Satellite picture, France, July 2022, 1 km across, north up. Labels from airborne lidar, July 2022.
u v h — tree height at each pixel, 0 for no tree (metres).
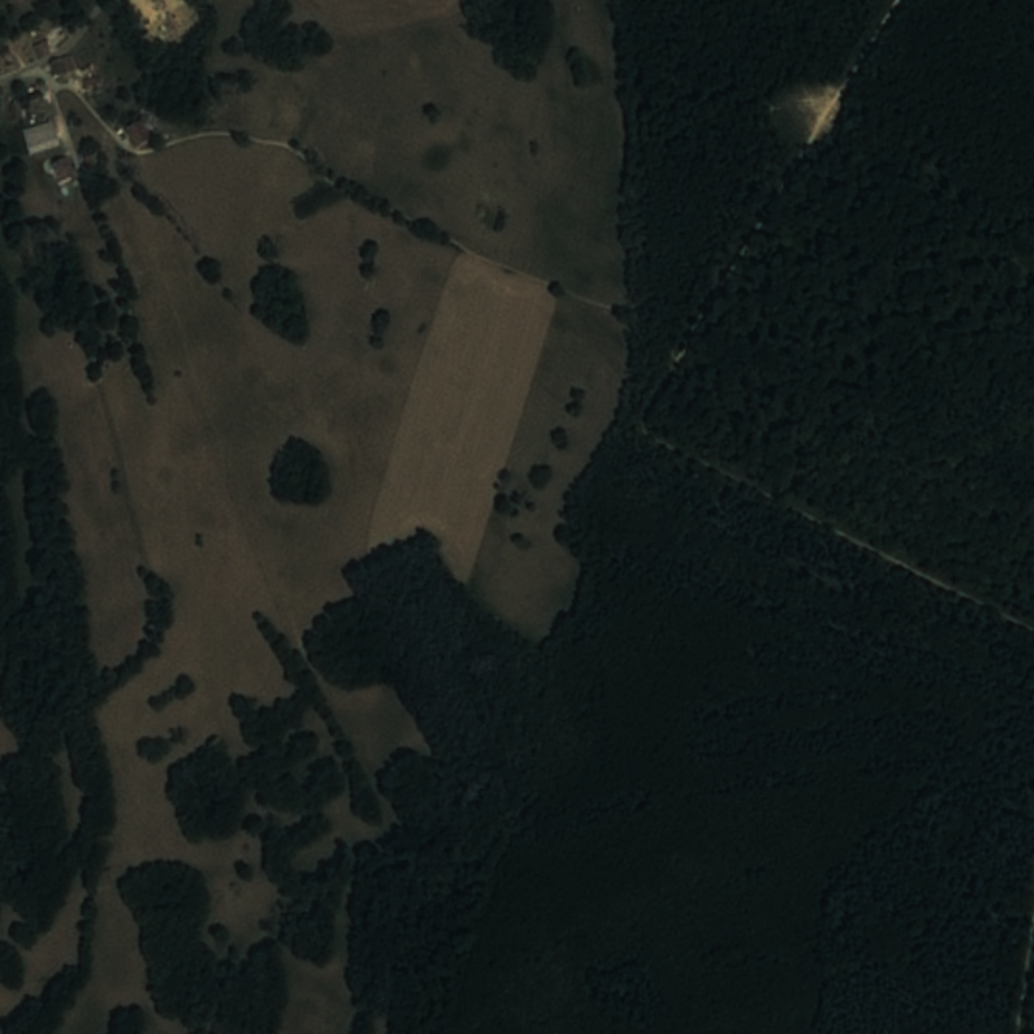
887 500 18
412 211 0
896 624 14
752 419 12
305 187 0
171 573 0
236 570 0
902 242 24
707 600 19
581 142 0
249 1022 19
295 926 15
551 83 0
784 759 17
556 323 0
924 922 12
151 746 18
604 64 0
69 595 16
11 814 23
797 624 19
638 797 19
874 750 18
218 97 20
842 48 13
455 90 0
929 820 35
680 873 11
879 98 20
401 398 0
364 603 17
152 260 0
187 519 0
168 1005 15
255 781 16
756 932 13
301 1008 0
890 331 26
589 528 20
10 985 15
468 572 0
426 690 25
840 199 25
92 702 17
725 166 20
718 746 21
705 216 13
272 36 20
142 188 16
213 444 0
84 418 0
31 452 21
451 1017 10
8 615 14
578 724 16
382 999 21
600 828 20
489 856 22
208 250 0
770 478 20
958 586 17
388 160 0
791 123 0
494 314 0
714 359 23
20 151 0
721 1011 11
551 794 17
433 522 0
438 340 0
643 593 20
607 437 11
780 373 27
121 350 15
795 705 23
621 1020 14
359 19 0
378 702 0
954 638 19
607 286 0
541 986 11
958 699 18
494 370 0
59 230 10
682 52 14
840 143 20
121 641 0
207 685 0
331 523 0
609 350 0
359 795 14
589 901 12
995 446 18
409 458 0
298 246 0
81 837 16
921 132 24
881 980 19
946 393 19
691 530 18
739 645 18
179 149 0
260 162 0
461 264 0
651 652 18
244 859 0
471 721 21
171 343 0
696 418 20
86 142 14
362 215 0
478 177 0
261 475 0
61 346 0
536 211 0
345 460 0
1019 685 12
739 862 14
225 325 0
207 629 0
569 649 15
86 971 15
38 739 17
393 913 22
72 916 0
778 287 25
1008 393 17
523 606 0
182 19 0
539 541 0
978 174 17
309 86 0
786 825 14
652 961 14
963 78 19
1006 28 18
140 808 0
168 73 19
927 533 18
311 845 22
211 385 0
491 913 11
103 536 0
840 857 14
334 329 0
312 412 0
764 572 17
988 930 21
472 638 16
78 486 0
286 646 16
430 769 17
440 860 20
